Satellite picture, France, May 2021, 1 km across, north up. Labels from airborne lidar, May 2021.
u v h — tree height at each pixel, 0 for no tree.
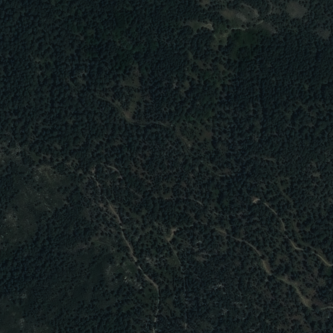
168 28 14
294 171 29
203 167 36
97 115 30
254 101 27
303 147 24
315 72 30
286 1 12
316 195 16
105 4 27
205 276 24
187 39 21
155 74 22
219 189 24
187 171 16
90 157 21
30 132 17
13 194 16
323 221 29
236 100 28
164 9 17
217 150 19
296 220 15
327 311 7
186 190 18
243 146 23
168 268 18
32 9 38
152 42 20
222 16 18
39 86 18
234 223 25
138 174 22
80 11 13
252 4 17
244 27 19
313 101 34
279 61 24
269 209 28
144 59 23
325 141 21
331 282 14
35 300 7
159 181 16
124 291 18
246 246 22
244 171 21
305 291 21
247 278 11
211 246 20
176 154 18
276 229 13
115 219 23
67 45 38
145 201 15
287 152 22
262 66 22
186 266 26
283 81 15
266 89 24
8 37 24
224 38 0
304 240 21
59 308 6
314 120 30
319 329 22
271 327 15
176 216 29
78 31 13
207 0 0
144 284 27
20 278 29
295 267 21
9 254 13
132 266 0
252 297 9
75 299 7
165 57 21
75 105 28
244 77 30
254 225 28
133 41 19
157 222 25
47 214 19
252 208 27
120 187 15
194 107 31
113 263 18
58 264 18
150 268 18
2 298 18
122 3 18
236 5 16
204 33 23
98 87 37
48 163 25
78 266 17
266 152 28
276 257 24
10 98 31
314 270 28
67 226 26
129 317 28
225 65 21
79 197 22
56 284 21
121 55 24
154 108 13
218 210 22
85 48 19
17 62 30
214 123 16
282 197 28
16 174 18
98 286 17
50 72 30
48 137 24
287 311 18
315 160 25
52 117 29
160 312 13
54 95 29
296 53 23
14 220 0
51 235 27
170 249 7
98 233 10
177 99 34
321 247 25
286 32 21
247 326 20
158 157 18
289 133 29
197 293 21
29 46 27
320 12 22
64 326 22
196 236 28
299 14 0
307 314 29
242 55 14
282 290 10
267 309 25
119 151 29
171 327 22
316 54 10
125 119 7
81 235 24
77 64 11
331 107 37
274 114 27
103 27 18
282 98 26
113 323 21
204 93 31
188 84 0
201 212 24
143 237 24
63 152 24
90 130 28
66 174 25
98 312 23
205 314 16
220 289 18
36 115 25
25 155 18
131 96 13
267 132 28
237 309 15
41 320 20
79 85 35
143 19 24
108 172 13
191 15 19
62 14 32
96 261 17
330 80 29
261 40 6
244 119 23
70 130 23
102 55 26
